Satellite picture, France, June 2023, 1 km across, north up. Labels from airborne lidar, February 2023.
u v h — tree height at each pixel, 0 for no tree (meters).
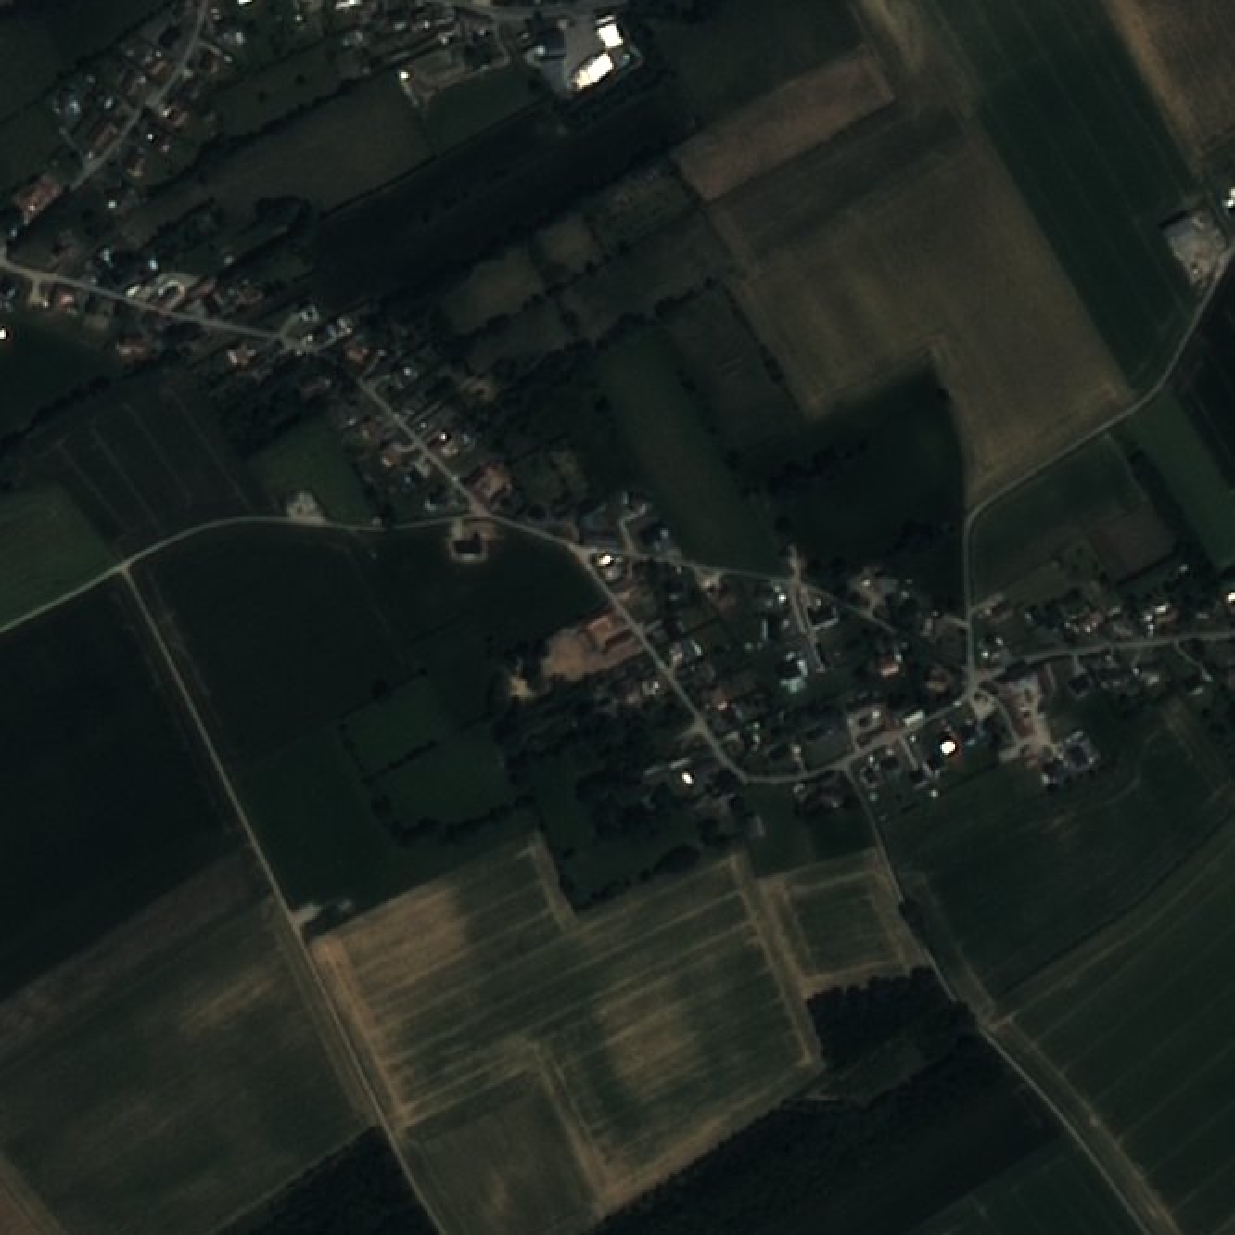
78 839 0
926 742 0
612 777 15
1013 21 0
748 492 7
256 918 0
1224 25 0
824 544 0
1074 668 0
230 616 0
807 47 0
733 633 0
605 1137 0
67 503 0
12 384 0
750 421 0
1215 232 0
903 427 0
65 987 0
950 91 0
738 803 11
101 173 0
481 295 0
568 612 0
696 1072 0
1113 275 0
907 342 0
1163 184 0
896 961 0
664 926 0
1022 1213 0
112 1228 0
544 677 18
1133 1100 0
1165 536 0
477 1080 0
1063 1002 0
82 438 0
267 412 6
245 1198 0
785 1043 0
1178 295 0
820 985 0
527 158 0
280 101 0
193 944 0
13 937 0
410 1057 0
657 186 0
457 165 0
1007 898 0
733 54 0
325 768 0
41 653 0
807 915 0
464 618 0
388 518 9
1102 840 0
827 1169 8
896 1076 0
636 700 0
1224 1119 0
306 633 0
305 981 0
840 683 0
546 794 0
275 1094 0
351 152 0
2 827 0
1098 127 0
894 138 0
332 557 0
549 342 0
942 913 0
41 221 10
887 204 0
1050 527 0
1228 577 10
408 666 0
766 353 6
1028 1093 0
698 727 0
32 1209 0
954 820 0
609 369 0
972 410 0
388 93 0
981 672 0
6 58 0
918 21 0
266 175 0
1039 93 0
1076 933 0
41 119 0
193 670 0
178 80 0
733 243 0
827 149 0
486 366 0
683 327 0
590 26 0
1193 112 0
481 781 0
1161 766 0
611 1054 0
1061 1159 0
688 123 0
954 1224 0
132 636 0
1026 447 0
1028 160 0
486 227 0
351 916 0
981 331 0
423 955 0
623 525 0
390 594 0
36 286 0
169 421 0
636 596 0
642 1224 6
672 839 0
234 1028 0
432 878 0
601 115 7
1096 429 0
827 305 0
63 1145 0
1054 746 0
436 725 0
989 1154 0
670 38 0
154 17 6
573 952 0
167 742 0
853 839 0
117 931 0
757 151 0
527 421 14
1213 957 0
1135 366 0
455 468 0
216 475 0
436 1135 0
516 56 0
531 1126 0
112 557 0
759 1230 7
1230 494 0
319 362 7
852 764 0
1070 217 0
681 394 0
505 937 0
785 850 0
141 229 0
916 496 0
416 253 0
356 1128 0
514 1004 0
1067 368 0
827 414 0
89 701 0
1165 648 0
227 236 0
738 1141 9
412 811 0
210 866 0
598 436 0
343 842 0
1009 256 0
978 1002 0
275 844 0
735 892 0
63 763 0
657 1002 0
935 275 0
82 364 0
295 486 0
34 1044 0
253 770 0
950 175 0
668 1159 0
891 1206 0
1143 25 0
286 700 0
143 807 0
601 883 0
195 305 0
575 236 0
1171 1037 0
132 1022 0
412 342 7
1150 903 0
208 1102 0
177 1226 0
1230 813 0
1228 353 0
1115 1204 0
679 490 0
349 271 0
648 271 0
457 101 0
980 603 0
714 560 0
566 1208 0
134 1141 0
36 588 0
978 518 0
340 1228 9
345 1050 0
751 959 0
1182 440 0
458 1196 0
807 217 0
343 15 0
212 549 0
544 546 0
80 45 0
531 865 0
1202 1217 0
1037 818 0
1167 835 0
